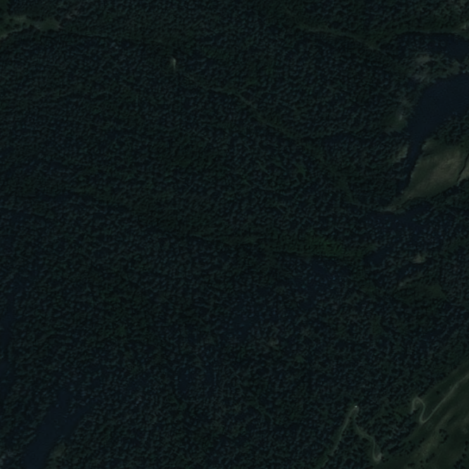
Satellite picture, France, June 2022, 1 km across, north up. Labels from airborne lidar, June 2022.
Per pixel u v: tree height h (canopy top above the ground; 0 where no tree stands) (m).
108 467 34
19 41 21
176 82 16
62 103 14
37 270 33
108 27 20
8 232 19
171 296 20
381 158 19
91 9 32
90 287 14
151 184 16
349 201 10
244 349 10
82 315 18
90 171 17
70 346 31
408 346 25
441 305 9
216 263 16
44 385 17
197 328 14
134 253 37
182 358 16
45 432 8
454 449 0
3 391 13
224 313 12
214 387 31
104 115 18
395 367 6
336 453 10
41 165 31
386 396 20
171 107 28
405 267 16
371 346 21
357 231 10
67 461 11
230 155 16
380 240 20
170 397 13
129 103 16
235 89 16
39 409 17
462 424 0
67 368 17
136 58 30
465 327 28
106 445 15
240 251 21
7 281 35
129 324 7
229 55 14
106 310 11
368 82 15
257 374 15
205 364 29
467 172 0
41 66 27
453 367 7
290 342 12
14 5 29
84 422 22
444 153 0
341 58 17
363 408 21
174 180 23
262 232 21
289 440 29
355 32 23
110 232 16
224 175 19
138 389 23
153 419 30
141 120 9
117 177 13
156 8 25
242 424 28
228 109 20
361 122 24
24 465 27
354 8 14
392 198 8
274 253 13
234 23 25
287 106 8
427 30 16
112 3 21
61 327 14
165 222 19
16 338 16
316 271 10
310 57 13
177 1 12
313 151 9
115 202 13
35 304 21
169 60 8
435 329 7
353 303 11
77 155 33
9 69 19
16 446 13
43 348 19
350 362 6
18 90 25
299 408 16
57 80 20
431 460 9
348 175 13
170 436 26
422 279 8
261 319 19
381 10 41
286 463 24
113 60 10
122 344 10
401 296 11
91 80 8
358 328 29
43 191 10
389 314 28
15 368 15
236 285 36
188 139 23
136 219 8
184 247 28
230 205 23
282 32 41
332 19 40
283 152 10
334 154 25
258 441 31
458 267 13
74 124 30
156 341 17
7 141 20
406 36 15
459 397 0
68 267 13
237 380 34
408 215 0
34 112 9
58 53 33
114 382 27
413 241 7
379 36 10
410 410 0
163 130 20
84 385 29
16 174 17
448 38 16
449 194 9
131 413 36
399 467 0
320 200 34
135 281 38
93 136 16
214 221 19
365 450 9
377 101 32
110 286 19
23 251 15
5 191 16
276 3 10
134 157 15
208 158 20
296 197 18
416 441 0
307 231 27
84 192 8
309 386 9
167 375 10
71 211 38
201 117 22
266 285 11
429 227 15
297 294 32
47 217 12
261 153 40
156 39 21
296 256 16
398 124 0
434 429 0
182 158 26
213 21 19
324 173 9
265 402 8
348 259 10
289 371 11
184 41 8
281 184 23
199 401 38
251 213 35
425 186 0
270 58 33
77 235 31
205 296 39
